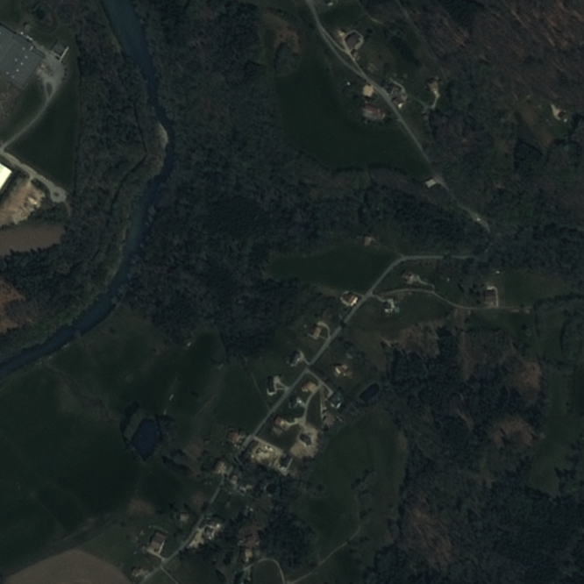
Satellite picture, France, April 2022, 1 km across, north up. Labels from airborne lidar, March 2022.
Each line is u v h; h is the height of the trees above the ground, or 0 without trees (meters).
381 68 0
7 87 0
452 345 28
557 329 0
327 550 0
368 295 0
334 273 0
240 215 18
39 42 0
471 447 27
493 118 26
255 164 30
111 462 0
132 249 0
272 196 25
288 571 17
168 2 21
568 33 29
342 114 0
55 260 18
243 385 0
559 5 27
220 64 20
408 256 0
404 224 20
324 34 0
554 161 20
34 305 22
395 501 0
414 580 16
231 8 22
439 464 19
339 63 0
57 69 0
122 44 0
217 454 0
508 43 33
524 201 20
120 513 0
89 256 25
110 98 14
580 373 0
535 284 0
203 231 29
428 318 0
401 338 0
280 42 0
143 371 0
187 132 28
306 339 0
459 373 29
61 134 0
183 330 15
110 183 22
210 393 0
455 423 26
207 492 0
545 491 0
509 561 30
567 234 26
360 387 0
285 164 24
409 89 0
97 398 0
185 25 18
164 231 10
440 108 0
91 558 0
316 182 27
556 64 33
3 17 0
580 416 0
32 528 0
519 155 22
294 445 0
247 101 25
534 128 0
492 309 0
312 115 0
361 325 0
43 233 0
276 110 20
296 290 26
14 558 0
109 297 0
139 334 0
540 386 0
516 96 26
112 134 30
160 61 24
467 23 26
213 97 19
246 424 0
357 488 14
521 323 0
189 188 15
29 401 0
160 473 0
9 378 0
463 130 20
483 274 18
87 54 24
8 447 0
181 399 0
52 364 0
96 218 27
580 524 18
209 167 14
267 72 15
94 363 0
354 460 0
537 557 24
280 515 14
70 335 0
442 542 0
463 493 15
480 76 26
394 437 0
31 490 0
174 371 0
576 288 12
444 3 29
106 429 0
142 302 12
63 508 0
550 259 27
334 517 0
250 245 15
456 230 28
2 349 27
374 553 0
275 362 0
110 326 0
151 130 35
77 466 0
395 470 0
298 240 23
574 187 27
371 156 0
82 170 20
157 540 0
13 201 0
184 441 0
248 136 24
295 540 21
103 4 0
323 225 26
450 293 0
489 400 30
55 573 0
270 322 24
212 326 21
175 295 22
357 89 8
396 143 0
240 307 20
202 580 0
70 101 0
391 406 17
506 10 28
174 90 26
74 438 0
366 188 23
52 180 0
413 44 0
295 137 0
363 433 0
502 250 28
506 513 20
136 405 0
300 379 0
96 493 0
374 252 0
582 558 17
